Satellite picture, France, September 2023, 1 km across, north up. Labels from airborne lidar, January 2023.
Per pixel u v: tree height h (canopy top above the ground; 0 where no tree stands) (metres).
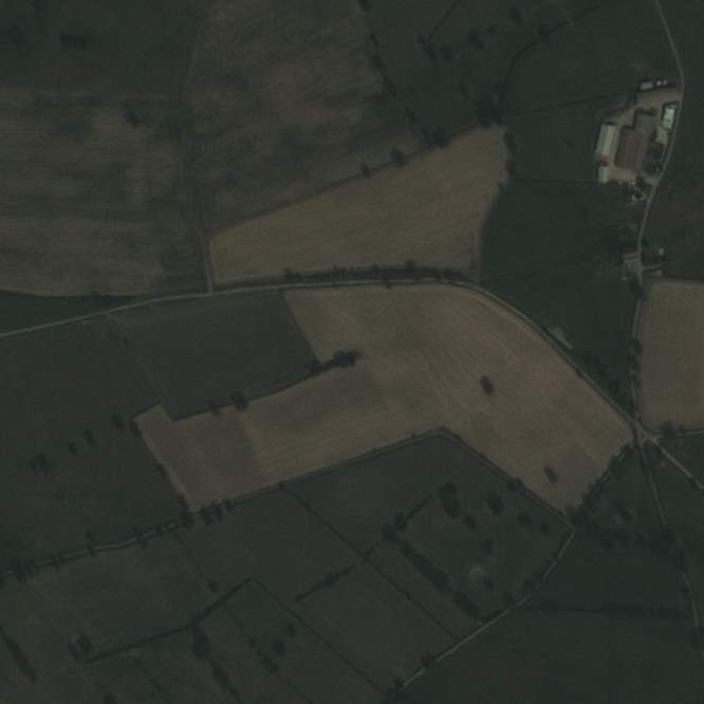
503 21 0
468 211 0
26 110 0
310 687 0
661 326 0
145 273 0
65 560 9
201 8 0
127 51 0
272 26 0
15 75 0
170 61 0
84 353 0
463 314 0
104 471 0
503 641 0
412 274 13
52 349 0
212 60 0
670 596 0
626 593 0
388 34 0
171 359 0
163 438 0
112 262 0
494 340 0
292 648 0
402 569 0
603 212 0
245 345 0
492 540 0
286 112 0
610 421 0
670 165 0
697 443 0
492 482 0
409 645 0
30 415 0
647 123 0
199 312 0
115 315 0
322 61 0
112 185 0
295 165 0
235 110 0
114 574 0
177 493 0
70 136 0
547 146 0
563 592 0
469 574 0
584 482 0
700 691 0
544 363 0
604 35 0
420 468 0
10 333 0
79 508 0
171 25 0
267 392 0
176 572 0
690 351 0
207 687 0
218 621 0
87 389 0
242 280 0
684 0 0
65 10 0
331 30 0
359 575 0
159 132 0
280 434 0
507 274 0
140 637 0
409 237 0
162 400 0
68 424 0
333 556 0
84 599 0
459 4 0
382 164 0
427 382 0
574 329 0
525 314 0
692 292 0
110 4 0
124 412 0
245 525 0
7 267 0
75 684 0
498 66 0
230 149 0
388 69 0
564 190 0
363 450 0
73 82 0
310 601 0
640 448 13
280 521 0
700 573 0
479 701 0
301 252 0
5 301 0
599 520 0
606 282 0
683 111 0
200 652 16
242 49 0
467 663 0
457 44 0
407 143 0
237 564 0
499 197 0
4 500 0
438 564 0
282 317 0
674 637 0
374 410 0
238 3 0
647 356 0
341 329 0
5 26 0
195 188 0
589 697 0
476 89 0
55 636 0
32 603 0
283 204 0
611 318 0
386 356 0
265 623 0
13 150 0
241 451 0
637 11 0
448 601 0
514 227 0
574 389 0
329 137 0
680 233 0
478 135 0
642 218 0
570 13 0
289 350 0
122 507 0
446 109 0
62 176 0
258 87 0
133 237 0
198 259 0
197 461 0
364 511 0
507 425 0
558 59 0
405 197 0
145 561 0
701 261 0
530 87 0
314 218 0
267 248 0
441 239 0
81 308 0
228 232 0
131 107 0
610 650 0
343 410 0
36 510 0
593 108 0
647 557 0
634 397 0
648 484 0
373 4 0
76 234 0
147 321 0
